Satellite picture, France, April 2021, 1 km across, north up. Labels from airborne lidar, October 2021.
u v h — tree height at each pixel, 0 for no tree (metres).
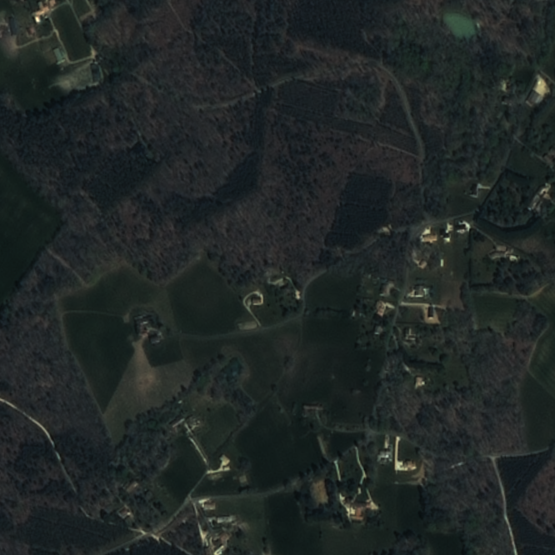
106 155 13
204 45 7
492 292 17
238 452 0
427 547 14
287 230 10
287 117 11
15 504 10
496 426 17
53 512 11
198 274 0
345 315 7
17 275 0
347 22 12
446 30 20
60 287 20
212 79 10
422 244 16
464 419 19
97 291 0
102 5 14
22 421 13
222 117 6
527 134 8
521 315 12
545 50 19
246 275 11
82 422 14
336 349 0
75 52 0
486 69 25
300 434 0
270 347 0
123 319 0
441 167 23
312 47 19
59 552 15
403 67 21
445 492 17
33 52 0
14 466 7
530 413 0
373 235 7
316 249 6
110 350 0
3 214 0
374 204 11
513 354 8
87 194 19
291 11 13
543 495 11
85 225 19
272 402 0
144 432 11
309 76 6
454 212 0
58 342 16
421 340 10
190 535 11
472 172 21
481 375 21
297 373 0
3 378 11
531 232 19
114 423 0
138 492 12
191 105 14
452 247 0
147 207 15
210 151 13
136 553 14
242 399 14
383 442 0
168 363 0
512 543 16
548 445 0
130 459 12
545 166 6
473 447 17
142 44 11
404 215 8
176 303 0
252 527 0
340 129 6
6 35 0
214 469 0
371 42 10
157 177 17
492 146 20
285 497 0
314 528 0
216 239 12
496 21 16
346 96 22
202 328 0
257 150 10
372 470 17
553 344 0
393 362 15
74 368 15
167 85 20
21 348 16
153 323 11
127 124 8
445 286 0
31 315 14
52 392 9
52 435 11
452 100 16
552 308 0
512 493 8
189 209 25
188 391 9
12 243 0
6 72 0
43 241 0
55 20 0
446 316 18
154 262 13
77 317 0
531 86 0
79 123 24
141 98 14
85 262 28
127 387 0
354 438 0
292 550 0
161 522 18
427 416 22
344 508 8
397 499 0
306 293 0
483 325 0
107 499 22
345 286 0
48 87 0
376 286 0
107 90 18
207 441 0
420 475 0
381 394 17
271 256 13
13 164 17
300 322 0
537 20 14
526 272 12
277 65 13
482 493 16
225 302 0
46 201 12
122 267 0
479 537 18
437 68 22
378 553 0
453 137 16
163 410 6
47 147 23
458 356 13
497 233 19
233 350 0
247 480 0
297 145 7
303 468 0
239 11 13
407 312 13
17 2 15
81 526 12
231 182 15
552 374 0
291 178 10
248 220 17
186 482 0
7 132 25
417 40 21
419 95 12
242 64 13
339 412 0
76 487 9
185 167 9
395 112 7
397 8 25
